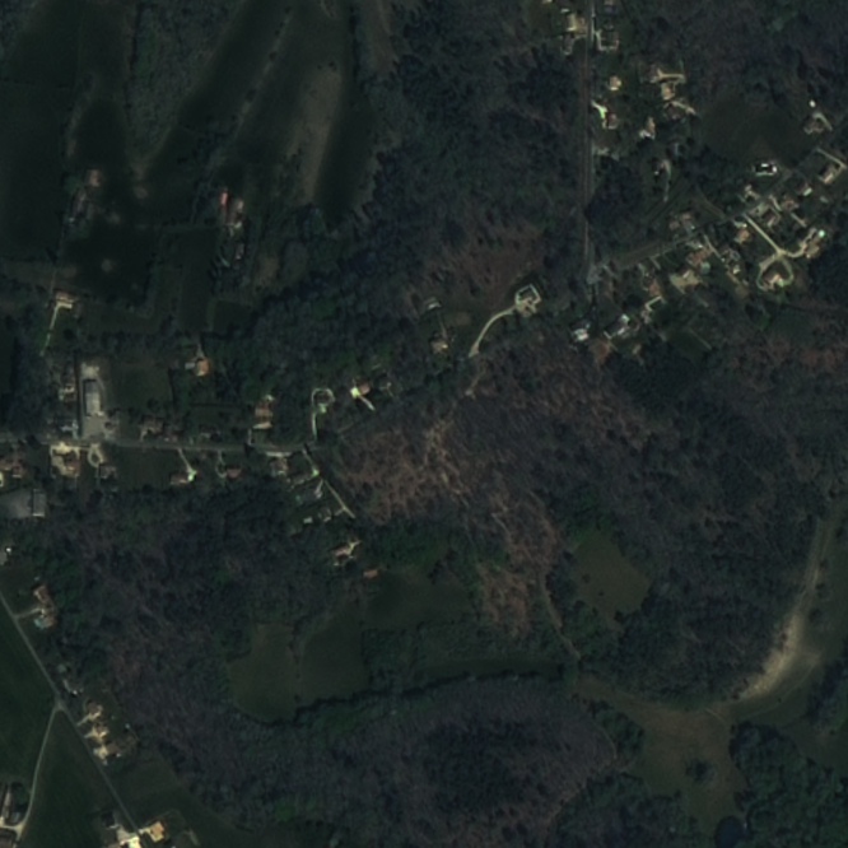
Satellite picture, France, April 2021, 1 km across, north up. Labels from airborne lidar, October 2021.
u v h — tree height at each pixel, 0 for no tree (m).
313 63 0
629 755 17
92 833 0
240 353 21
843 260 25
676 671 16
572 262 23
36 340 20
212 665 19
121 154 0
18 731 0
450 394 15
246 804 25
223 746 16
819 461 20
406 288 16
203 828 0
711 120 0
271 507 21
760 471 25
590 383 13
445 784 13
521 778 6
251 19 0
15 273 0
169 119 11
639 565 24
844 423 22
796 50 10
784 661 0
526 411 5
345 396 14
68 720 0
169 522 9
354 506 18
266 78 0
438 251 18
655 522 17
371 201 0
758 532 8
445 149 17
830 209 9
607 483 22
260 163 7
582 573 0
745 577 26
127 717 8
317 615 13
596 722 15
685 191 0
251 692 0
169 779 0
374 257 20
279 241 11
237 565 18
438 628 6
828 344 6
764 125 0
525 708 13
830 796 27
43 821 0
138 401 0
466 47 10
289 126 0
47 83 0
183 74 19
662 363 20
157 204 0
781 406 25
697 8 15
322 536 22
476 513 20
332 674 0
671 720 0
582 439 7
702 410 24
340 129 0
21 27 16
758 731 15
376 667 23
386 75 0
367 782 19
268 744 17
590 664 19
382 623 0
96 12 0
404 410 7
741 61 11
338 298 21
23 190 0
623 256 20
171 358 17
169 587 25
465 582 23
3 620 0
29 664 0
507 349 14
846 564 0
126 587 23
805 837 18
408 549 25
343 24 0
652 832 25
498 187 20
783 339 10
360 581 9
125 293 0
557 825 12
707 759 0
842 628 0
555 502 16
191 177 0
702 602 15
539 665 0
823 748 0
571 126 8
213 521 20
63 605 21
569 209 12
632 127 9
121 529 18
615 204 24
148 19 20
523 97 19
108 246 0
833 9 16
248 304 9
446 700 16
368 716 23
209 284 0
